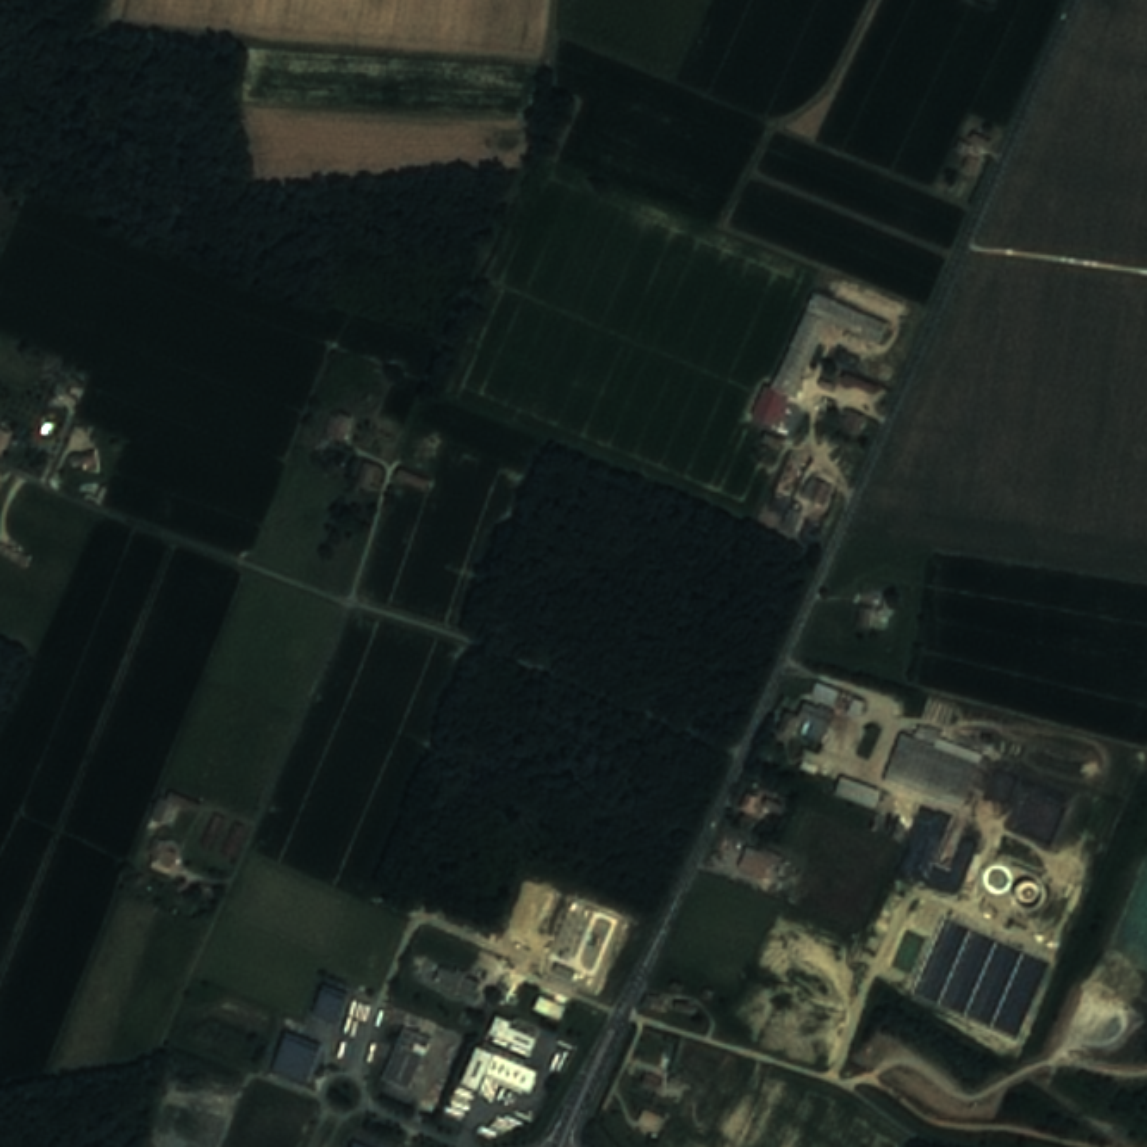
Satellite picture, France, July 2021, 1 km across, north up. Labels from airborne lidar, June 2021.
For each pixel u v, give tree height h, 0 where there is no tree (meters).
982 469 0
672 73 0
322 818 0
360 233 23
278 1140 0
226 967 0
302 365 0
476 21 0
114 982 0
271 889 0
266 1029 0
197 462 0
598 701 13
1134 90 0
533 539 25
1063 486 0
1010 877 0
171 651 0
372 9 0
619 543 22
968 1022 0
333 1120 0
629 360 0
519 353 0
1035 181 0
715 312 0
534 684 19
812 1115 0
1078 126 0
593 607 19
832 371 13
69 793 0
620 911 0
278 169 0
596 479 22
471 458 0
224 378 0
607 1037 0
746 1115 0
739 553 20
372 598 0
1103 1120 0
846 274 0
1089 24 0
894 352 0
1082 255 0
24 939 0
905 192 0
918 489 0
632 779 8
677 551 21
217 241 18
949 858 0
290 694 0
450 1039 0
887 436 0
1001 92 0
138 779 0
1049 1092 0
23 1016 0
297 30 0
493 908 7
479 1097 0
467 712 16
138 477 0
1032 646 0
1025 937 0
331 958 0
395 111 0
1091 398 0
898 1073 0
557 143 18
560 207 0
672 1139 0
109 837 0
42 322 0
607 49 0
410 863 16
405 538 0
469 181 17
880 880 0
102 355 0
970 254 0
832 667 7
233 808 0
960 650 0
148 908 0
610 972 0
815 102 0
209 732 0
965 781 0
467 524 0
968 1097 0
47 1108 20
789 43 0
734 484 0
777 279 0
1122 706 0
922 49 0
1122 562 0
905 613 0
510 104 0
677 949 0
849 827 0
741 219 0
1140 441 0
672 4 0
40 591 0
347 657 0
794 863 0
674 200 0
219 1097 0
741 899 0
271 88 0
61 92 15
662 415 0
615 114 0
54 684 0
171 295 0
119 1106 17
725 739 18
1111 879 0
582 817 16
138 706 0
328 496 0
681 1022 0
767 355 0
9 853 0
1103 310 0
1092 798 0
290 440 0
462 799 10
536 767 18
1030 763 0
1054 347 0
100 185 25
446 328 6
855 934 0
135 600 0
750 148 0
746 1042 0
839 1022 0
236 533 0
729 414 0
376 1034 0
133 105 13
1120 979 0
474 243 20
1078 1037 0
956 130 0
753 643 19
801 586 13
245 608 0
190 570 0
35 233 0
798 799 11
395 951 0
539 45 0
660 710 19
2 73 15
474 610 16
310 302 16
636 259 0
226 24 0
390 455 0
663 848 17
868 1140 0
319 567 0
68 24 24
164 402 0
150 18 0
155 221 24
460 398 0
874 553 0
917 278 0
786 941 0
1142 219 0
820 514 0
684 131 0
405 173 14
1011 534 0
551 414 0
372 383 0
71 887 0
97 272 0
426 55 0
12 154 17
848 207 0
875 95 0
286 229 19
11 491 0
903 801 0
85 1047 0
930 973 0
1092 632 0
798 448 0
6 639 10
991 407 0
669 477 0
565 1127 0
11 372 0
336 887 0
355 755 0
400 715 0
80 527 0
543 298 0
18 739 0
